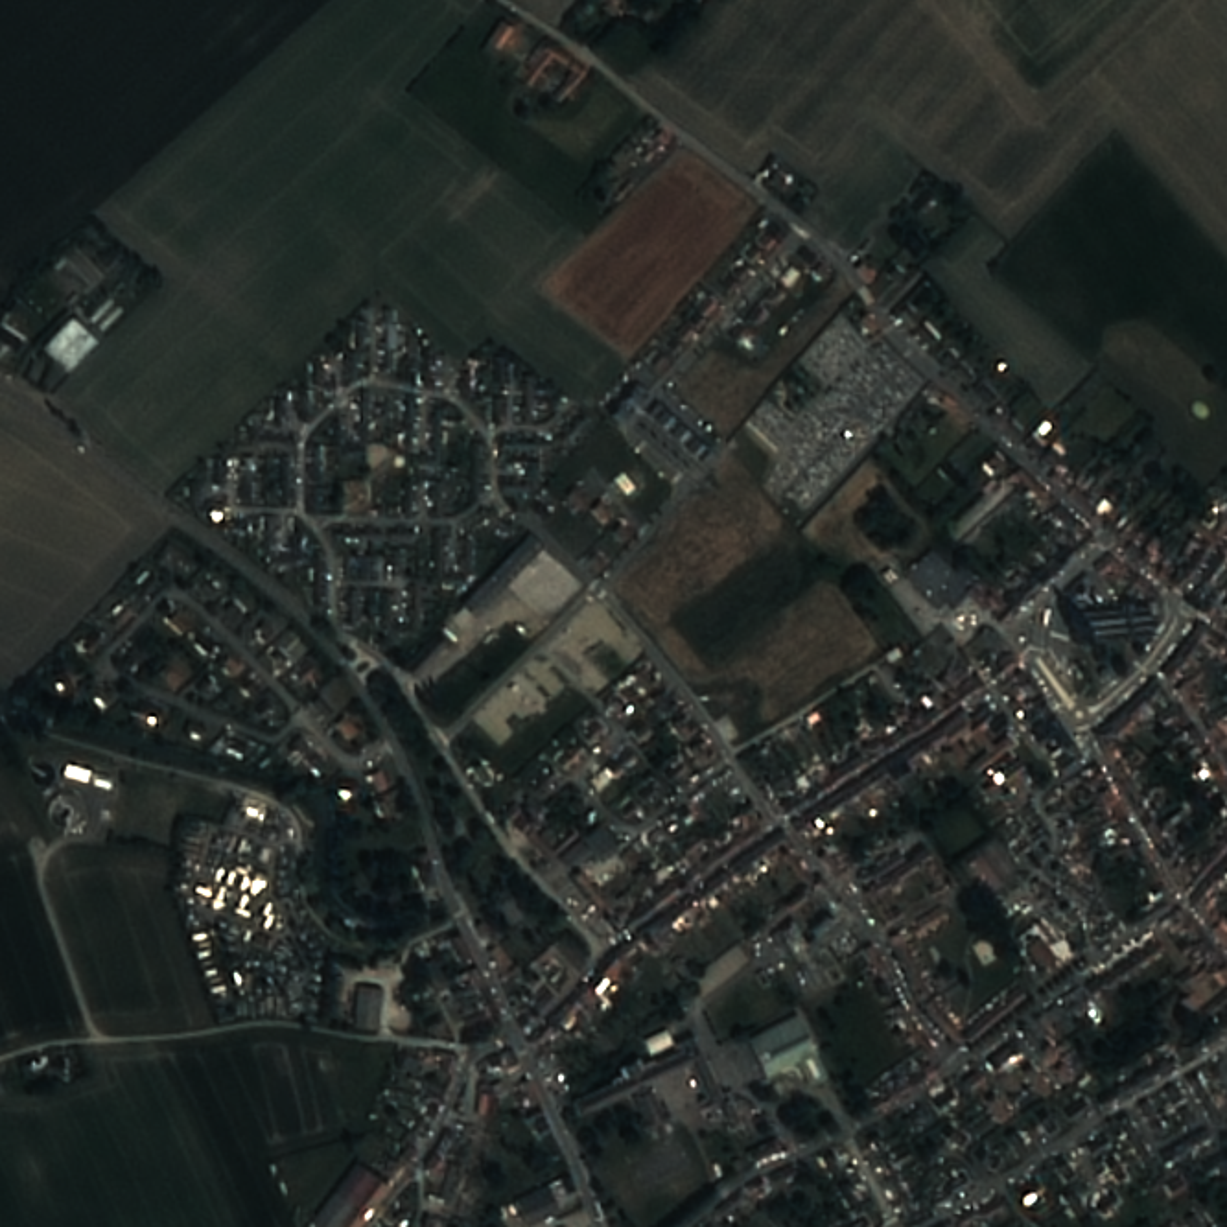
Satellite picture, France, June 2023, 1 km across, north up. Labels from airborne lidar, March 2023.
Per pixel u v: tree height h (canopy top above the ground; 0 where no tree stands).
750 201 0
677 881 0
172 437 0
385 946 14
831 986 0
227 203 0
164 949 0
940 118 0
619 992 7
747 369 0
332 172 0
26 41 0
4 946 0
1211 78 0
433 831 0
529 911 17
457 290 0
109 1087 0
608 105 0
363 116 0
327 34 0
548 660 0
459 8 0
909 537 12
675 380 0
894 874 0
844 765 0
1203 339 0
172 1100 0
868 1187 0
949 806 10
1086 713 0
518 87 0
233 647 0
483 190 0
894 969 0
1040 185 0
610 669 0
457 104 0
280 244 0
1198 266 0
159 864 0
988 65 0
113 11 0
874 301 0
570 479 0
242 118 0
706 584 0
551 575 0
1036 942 0
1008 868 0
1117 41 0
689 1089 0
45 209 0
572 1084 8
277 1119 0
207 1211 0
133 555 0
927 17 0
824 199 0
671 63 0
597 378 0
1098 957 0
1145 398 0
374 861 14
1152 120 0
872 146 0
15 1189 0
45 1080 10
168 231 0
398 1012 0
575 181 0
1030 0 0
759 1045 0
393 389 0
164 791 0
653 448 0
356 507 0
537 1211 0
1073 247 0
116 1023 0
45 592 0
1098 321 0
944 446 0
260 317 0
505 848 0
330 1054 0
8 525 0
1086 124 0
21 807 0
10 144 0
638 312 0
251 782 0
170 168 0
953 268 0
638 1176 0
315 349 0
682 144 0
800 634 0
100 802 0
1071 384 0
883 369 0
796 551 0
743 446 0
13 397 0
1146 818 0
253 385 0
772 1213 10
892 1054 0
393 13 0
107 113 0
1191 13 0
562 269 0
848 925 0
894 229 9
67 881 0
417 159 0
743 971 0
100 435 0
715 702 0
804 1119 16
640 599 0
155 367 0
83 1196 0
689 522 0
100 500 0
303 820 0
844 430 0
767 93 0
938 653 0
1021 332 0
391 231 0
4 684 0
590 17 0
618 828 0
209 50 0
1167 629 0
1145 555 0
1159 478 15
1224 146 0
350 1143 14
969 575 0
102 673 0
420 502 0
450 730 0
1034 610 0
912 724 0
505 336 0
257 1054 0
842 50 0
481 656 0
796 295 0
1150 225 0
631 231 0
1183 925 0
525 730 0
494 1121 0
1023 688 0
